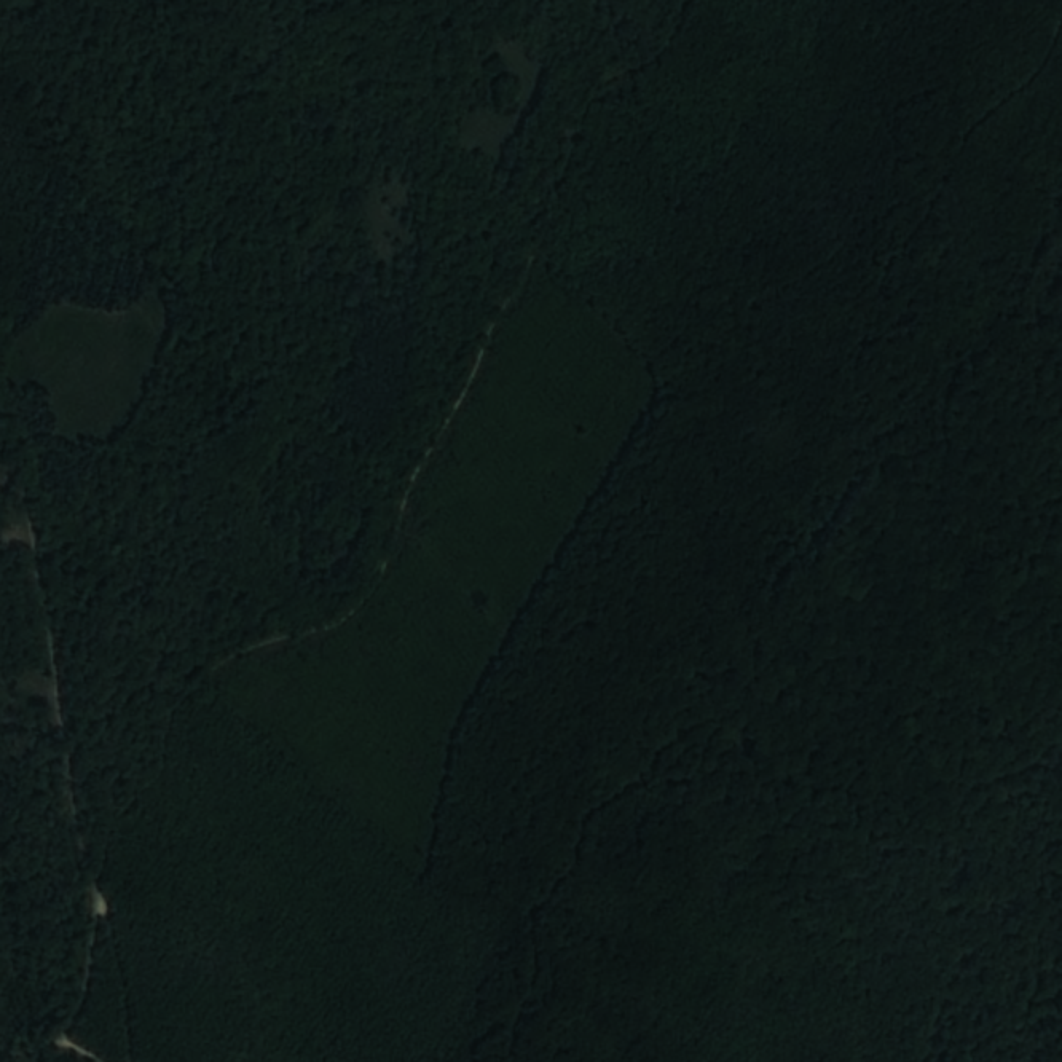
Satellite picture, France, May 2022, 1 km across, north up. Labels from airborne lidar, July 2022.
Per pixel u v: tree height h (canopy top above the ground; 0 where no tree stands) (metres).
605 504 18
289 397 20
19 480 18
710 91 14
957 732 28
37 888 18
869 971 22
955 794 22
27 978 19
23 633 18
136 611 16
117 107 18
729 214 21
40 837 18
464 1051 8
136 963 11
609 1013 14
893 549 30
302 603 22
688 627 18
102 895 8
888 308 23
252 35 11
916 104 22
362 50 17
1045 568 28
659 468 26
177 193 15
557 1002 17
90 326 0
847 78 17
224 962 13
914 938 20
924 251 23
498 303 20
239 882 11
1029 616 25
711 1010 12
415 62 19
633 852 21
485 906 12
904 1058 14
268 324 14
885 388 22
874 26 19
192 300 16
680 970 13
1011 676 26
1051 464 27
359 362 24
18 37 23
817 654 27
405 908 14
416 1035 12
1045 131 11
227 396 13
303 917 11
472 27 18
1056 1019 19
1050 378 28
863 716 27
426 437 12
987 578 29
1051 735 24
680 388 19
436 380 16
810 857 22
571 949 22
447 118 17
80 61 16
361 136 12
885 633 25
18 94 26
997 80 7
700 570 17
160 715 16
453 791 16
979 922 22
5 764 21
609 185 17
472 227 20
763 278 20
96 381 0
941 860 25
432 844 12
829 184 15
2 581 17
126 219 15
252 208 17
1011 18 11
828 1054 13
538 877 16
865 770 28
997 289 14
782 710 29
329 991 13
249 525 20
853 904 22
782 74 14
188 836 10
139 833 11
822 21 16
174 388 17
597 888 7
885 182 20
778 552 21
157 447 12
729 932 12
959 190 14
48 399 10
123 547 18
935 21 23
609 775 24
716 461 22
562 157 14
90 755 15
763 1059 12
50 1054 16
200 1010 13
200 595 11
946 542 28
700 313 22
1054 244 27
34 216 17
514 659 18
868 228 22
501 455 6
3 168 14
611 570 25
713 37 14
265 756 11
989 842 21
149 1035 15
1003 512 25
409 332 24
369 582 20
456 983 11
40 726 9
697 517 18
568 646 26
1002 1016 18
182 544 13
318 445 20
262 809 11
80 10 14
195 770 10
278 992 10
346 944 11
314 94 13
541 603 17
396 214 7
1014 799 10
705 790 26
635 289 20
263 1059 12
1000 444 25
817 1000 14
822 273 15
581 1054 12
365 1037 12
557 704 25
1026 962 12
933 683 30
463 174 19
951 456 26
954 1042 17
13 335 19
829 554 27
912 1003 18
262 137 13
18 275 17
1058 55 8
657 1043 16
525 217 18
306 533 19
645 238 18
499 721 23
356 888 12
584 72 14
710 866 9
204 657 14
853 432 16
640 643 21
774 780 22
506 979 18
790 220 18
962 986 19
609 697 24
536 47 15
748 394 19
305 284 15
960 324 13
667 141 18
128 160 17
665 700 26
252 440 22
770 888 13
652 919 15
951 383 15
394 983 10
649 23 12
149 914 12
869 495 30
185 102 14
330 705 5
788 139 22
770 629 27
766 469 16
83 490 17
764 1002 11
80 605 19
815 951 20
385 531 20
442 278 20
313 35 16
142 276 17
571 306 5
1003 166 15
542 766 21
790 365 14
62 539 14
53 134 21
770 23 14
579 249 18
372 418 27
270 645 0
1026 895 24
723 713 27
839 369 18
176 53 18
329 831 15
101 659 19
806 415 17
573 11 13
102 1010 13
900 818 22
